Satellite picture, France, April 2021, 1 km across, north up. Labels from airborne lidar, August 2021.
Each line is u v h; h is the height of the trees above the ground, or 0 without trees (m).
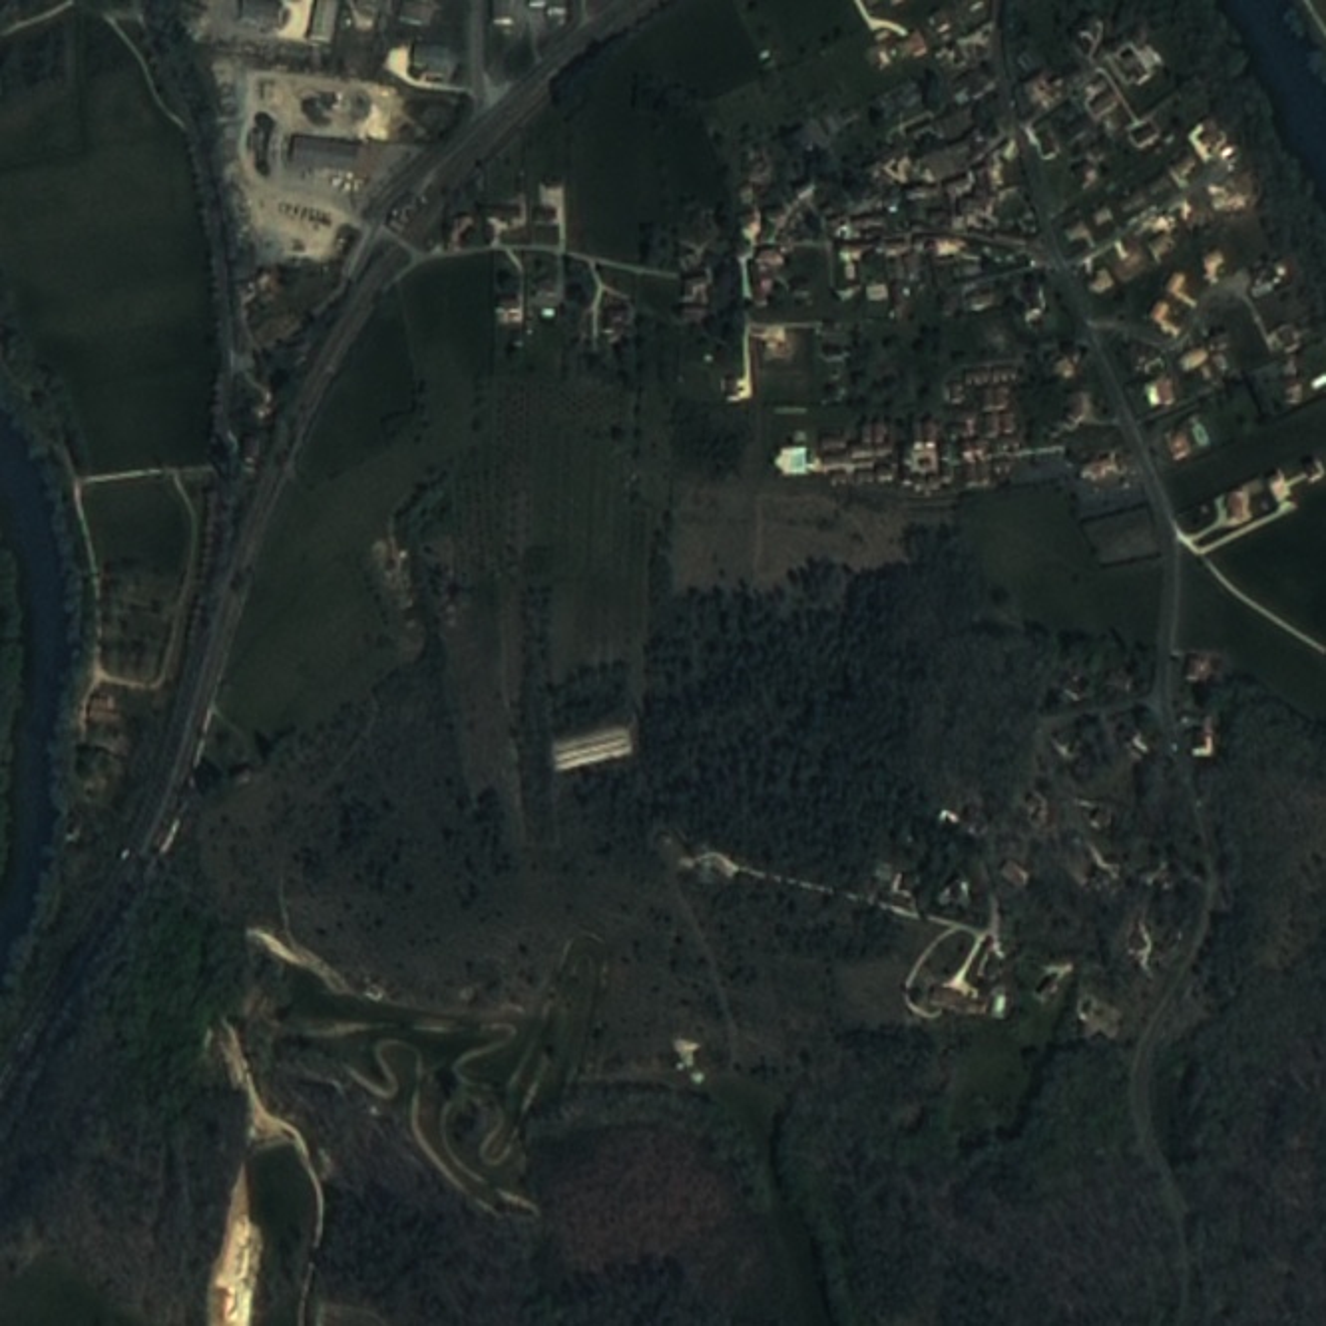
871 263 12
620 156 0
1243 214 0
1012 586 0
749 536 0
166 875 20
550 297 0
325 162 0
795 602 9
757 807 10
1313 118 0
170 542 0
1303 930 15
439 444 0
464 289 0
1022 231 8
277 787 0
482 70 0
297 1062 22
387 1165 15
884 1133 18
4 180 0
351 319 0
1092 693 12
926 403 12
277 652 0
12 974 14
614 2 0
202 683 0
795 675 14
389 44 0
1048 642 23
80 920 12
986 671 26
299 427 14
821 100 8
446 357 0
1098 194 0
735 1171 13
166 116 0
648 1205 6
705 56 0
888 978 0
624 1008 0
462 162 0
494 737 0
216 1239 8
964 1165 18
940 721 21
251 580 12
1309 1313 22
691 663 8
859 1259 20
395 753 7
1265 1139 19
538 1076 0
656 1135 7
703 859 0
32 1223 12
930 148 9
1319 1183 19
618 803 9
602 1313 25
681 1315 19
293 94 0
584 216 0
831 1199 12
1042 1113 21
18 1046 0
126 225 0
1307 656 0
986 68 9
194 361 0
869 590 15
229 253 16
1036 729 22
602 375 8
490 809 11
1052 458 0
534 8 0
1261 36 0
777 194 10
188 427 0
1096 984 8
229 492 32
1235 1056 22
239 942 17
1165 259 0
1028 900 10
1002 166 8
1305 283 9
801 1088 11
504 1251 17
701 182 0
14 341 19
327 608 0
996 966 0
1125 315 0
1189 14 14
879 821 12
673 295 0
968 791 19
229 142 0
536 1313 22
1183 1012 12
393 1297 24
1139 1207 19
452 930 0
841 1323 19
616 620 0
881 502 0
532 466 6
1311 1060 12
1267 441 0
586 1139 7
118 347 0
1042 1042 0
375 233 0
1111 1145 22
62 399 18
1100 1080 20
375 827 13
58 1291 0
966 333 0
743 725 10
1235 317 0
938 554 19
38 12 6
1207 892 12
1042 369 7
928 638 22
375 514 0
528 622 6
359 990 7
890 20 0
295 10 0
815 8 0
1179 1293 15
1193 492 0
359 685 0
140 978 23
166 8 18
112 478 0
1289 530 0
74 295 0
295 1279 20
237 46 0
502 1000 14
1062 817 14
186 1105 12
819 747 12
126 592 15
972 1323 21
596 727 11
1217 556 0
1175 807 13
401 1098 0
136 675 21
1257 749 23
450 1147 0
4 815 16
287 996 15
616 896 0
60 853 24
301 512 0
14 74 12
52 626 0
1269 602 0
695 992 8
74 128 0
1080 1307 18
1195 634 0
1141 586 0
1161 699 0
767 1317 6
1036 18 0
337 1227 12
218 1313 0
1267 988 14
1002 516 0
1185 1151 9
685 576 0
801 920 8
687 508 0
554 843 0
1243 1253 18
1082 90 0
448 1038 0
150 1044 15
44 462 15
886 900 9
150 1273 18
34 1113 11
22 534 0
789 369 0
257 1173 0
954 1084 10
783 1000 6
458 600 13
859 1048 14
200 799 13
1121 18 14
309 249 0
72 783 21
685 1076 0
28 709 0
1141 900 12
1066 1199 21
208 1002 26
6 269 0
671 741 7
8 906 0
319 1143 14
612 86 0
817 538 0
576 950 0
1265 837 20
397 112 0
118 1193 21
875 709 20
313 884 8
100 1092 15
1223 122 12
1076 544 0
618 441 9
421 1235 21
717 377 0
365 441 0
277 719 0
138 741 21
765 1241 6
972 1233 23
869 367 11
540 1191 7
